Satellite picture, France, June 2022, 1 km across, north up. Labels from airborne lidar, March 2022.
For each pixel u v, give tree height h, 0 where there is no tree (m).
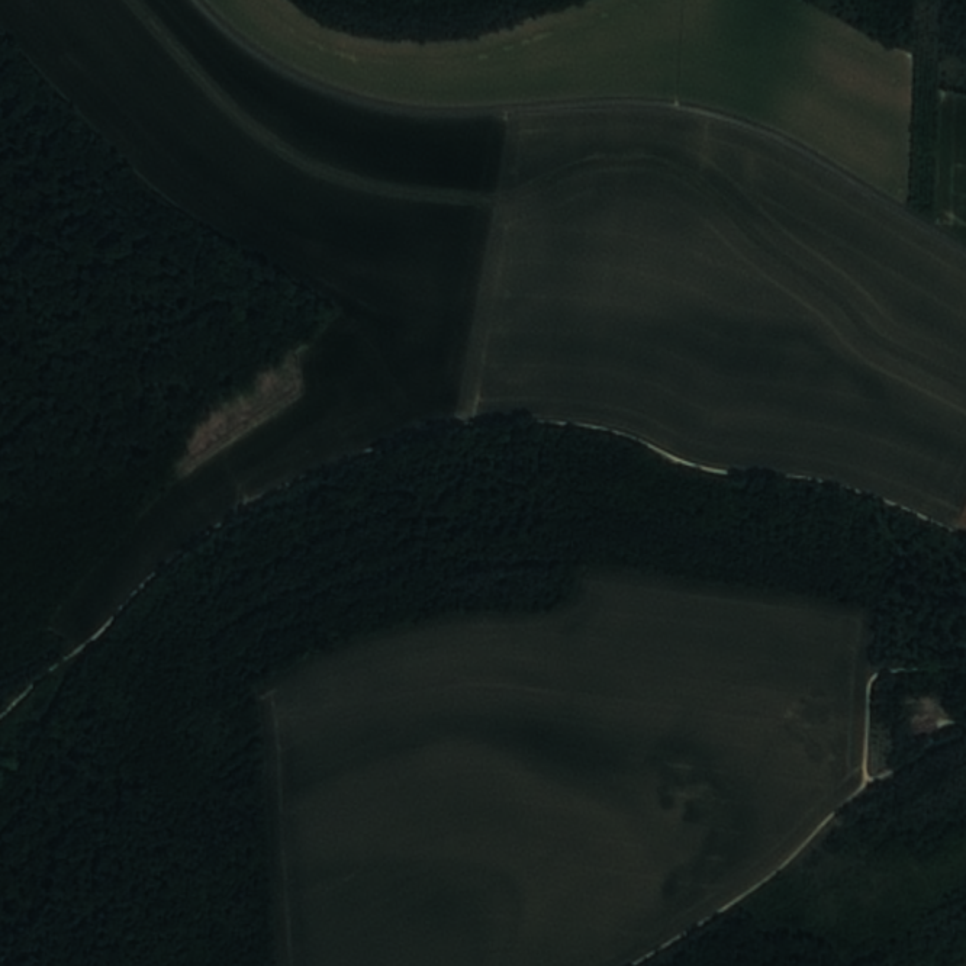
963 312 0
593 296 0
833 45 0
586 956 0
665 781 0
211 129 0
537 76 0
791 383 0
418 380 0
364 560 18
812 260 0
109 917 21
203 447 0
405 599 20
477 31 10
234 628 19
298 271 0
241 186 0
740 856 0
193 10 0
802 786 0
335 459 0
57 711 11
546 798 0
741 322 0
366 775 0
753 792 0
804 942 17
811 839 0
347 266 0
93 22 0
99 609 0
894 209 0
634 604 0
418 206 0
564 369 0
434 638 0
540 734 0
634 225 0
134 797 22
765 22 0
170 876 21
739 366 0
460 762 0
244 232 0
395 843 0
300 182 0
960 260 0
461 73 0
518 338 0
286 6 0
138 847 18
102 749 19
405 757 0
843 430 0
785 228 0
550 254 0
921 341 0
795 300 0
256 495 0
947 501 0
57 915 19
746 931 16
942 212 0
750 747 0
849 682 0
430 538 23
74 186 29
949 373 0
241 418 0
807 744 0
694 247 0
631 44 0
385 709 0
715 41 0
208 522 0
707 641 0
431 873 0
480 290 0
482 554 7
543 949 0
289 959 0
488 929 0
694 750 0
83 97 0
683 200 0
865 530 16
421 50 0
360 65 0
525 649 0
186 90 0
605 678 0
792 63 0
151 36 0
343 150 0
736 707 0
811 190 0
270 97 0
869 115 0
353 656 0
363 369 0
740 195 0
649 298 0
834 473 0
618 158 0
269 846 11
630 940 0
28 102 19
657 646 0
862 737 0
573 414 0
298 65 0
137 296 18
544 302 0
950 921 9
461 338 0
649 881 0
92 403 18
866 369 0
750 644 0
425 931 0
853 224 0
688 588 0
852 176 0
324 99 0
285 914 0
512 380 0
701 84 0
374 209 0
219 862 17
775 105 0
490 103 0
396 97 0
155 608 12
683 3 0
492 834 0
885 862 0
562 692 0
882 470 0
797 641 0
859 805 13
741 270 0
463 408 0
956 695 16
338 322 0
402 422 0
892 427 0
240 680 21
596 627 0
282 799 0
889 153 0
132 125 0
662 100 0
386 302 0
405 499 26
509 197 0
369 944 0
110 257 16
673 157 0
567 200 0
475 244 0
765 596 0
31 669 15
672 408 0
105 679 14
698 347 0
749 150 0
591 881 0
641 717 0
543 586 18
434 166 0
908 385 0
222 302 22
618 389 0
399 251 0
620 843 0
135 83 0
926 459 0
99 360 16
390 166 0
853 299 0
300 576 17
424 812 0
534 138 0
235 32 0
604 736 0
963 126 0
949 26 6
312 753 0
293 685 0
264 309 24
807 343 0
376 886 0
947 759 15
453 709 0
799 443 0
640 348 0
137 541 0
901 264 0
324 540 21
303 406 0
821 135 0
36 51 0
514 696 0
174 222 23
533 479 25
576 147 0
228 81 0
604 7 0
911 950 8
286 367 0
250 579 20
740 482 15
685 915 0
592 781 0
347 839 0
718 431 0
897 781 11
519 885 0
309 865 0
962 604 27
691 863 0
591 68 0
